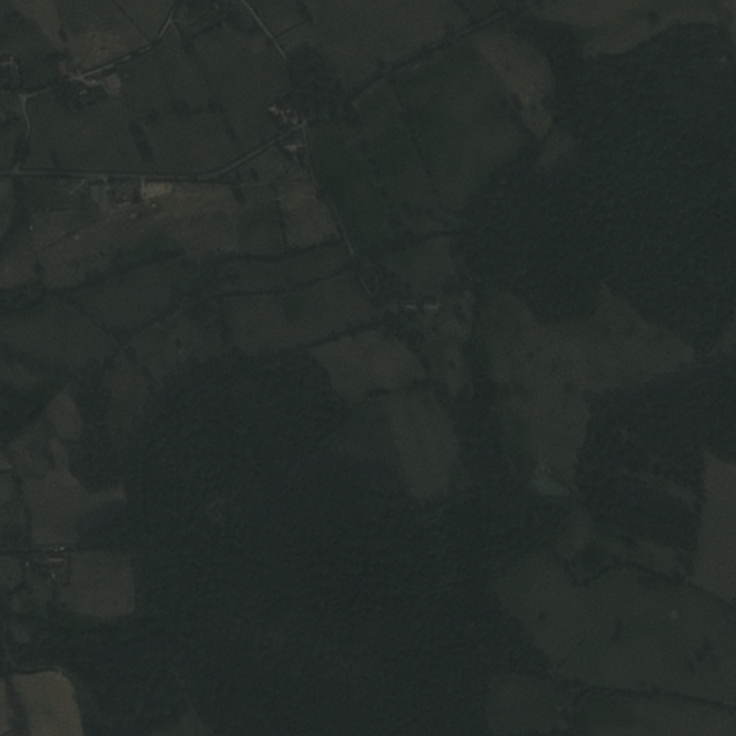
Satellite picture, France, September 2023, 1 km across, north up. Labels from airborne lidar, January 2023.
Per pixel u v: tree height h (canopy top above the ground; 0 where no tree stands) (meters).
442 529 8
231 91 0
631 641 0
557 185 19
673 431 19
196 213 0
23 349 0
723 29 0
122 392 0
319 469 22
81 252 0
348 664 11
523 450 0
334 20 0
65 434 0
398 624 10
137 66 0
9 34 0
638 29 0
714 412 21
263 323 0
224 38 0
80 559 0
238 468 10
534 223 20
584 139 12
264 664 17
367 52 0
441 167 0
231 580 18
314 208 0
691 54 9
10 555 7
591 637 0
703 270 14
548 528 14
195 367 16
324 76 20
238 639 14
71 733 0
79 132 0
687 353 0
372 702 21
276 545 19
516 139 0
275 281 0
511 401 0
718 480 0
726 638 0
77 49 0
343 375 0
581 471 15
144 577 10
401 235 14
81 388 19
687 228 17
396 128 0
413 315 11
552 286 20
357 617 13
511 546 22
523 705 0
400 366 0
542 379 0
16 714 19
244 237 0
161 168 0
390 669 15
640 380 0
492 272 23
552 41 24
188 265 12
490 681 10
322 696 18
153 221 0
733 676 0
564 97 21
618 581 0
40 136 0
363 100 0
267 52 0
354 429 0
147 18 0
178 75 0
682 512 20
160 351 0
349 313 0
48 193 0
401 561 19
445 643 14
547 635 0
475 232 20
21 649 9
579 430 0
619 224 19
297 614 19
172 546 12
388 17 0
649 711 0
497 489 16
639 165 16
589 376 0
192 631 23
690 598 0
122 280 16
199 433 14
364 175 0
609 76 17
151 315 0
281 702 23
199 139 0
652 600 0
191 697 12
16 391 16
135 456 14
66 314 0
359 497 20
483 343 0
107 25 0
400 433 0
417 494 0
